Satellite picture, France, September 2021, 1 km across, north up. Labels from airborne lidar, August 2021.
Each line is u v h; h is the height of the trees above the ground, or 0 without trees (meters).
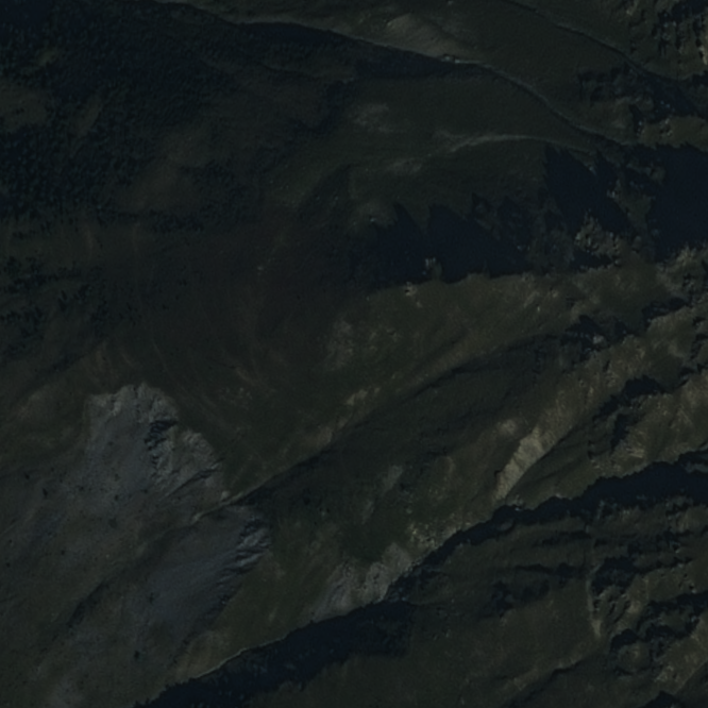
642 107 0
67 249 0
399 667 0
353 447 0
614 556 0
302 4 0
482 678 0
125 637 0
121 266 0
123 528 0
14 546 0
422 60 0
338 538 0
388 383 0
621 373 0
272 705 0
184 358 0
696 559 0
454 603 0
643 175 0
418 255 0
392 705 0
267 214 0
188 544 0
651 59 0
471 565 0
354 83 0
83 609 0
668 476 0
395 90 0
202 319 0
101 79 6
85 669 0
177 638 0
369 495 0
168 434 0
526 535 0
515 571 0
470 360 0
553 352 0
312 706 0
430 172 0
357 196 0
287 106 0
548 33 0
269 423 0
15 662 0
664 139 0
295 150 0
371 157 0
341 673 0
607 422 0
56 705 0
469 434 0
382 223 0
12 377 0
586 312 0
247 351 0
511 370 0
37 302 0
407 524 0
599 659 0
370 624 6
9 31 10
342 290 0
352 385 0
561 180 0
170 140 0
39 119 0
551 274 0
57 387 0
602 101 0
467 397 0
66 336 0
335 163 0
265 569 0
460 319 0
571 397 0
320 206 0
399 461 0
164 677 0
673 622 0
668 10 0
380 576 0
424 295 0
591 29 0
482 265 0
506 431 0
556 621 0
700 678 0
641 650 0
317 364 0
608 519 0
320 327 0
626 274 0
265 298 0
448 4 0
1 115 0
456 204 0
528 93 0
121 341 0
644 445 0
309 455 0
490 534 0
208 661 0
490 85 0
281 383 0
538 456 0
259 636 0
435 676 0
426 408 0
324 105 0
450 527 0
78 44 9
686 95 0
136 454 0
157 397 0
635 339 0
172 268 0
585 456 0
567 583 0
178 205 0
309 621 0
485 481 0
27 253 0
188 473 0
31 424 0
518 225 0
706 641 0
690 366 0
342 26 0
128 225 0
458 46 0
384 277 0
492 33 0
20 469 0
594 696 0
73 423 0
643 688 0
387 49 0
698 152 0
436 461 0
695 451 0
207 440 0
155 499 0
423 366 0
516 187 0
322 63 0
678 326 0
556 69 0
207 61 0
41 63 0
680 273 0
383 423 0
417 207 0
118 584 0
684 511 0
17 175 10
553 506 0
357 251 0
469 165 0
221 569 0
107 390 0
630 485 0
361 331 0
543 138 0
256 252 0
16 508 0
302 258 0
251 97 0
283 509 0
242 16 0
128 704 0
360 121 0
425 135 0
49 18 9
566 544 0
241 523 0
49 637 0
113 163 8
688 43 0
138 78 6
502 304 0
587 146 0
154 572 0
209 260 0
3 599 0
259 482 0
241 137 0
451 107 0
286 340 0
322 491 0
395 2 0
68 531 0
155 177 0
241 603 0
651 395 0
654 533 0
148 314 0
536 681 0
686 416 0
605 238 0
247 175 0
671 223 0
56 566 0
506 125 0
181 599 0
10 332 0
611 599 0
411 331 0
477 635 0
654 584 0
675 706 0
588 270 0
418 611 0
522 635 0
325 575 0
